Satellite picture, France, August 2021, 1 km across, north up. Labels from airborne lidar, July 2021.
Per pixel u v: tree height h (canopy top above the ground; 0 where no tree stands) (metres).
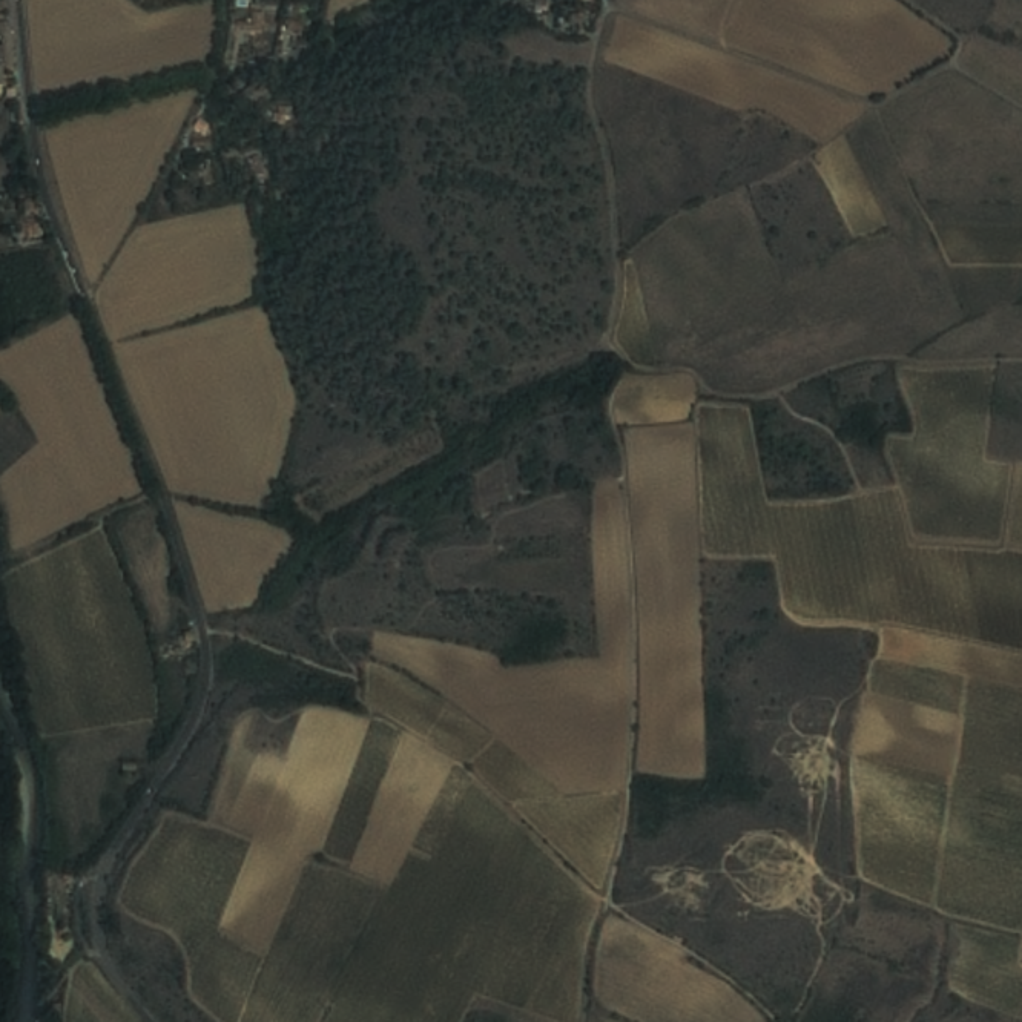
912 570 0
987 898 0
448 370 0
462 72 16
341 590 0
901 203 0
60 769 0
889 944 0
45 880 13
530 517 0
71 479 0
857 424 7
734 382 0
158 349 0
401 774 0
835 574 0
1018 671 0
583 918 0
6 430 0
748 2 0
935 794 0
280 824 0
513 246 0
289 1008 0
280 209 7
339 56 15
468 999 0
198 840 0
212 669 0
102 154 0
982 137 0
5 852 6
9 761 19
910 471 0
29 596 0
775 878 0
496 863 0
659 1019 0
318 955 0
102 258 0
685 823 0
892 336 0
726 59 0
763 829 0
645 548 0
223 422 0
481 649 7
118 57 0
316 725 0
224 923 0
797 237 0
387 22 10
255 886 0
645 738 0
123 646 0
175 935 0
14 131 8
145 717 0
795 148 0
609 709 0
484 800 0
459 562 0
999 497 0
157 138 0
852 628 0
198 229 0
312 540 7
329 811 0
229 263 0
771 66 0
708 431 0
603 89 0
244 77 11
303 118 16
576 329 6
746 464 0
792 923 0
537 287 8
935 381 0
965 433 0
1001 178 0
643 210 0
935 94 0
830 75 0
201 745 0
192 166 11
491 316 10
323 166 19
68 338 0
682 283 0
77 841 0
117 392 19
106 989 0
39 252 6
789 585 0
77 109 24
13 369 0
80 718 0
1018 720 0
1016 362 0
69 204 0
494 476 0
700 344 0
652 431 0
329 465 0
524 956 0
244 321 0
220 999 0
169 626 0
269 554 0
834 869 0
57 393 0
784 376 0
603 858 0
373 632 0
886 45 0
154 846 0
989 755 0
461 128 6
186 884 0
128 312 0
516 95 8
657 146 0
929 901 0
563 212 7
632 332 0
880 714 0
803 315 0
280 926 0
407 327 13
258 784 0
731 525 0
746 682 0
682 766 0
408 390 13
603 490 0
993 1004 0
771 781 8
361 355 13
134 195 0
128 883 0
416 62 11
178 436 0
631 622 0
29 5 0
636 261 0
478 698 0
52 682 0
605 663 0
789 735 0
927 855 0
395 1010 0
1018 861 0
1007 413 0
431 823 0
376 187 10
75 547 0
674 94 0
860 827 0
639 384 0
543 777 0
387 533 8
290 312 13
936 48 0
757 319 0
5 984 13
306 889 0
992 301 0
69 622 0
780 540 0
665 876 0
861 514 0
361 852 0
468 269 9
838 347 0
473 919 0
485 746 0
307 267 15
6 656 15
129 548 0
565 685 0
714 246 0
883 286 0
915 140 0
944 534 0
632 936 0
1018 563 0
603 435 14
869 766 0
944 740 0
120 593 0
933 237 0
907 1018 0
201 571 0
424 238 0
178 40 0
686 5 0
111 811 0
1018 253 0
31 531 0
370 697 0
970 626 0
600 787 0
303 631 6
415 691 0
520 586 0
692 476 0
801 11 0
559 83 11
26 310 8
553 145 6
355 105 11
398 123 14
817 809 0
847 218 0
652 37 0
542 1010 0
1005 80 0
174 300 0
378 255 14
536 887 0
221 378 0
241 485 0
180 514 0
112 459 0
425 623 0
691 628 0
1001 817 0
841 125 0
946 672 0
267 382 0
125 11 0
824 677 0
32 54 0
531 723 0
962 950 0
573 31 6
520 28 15
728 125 0
